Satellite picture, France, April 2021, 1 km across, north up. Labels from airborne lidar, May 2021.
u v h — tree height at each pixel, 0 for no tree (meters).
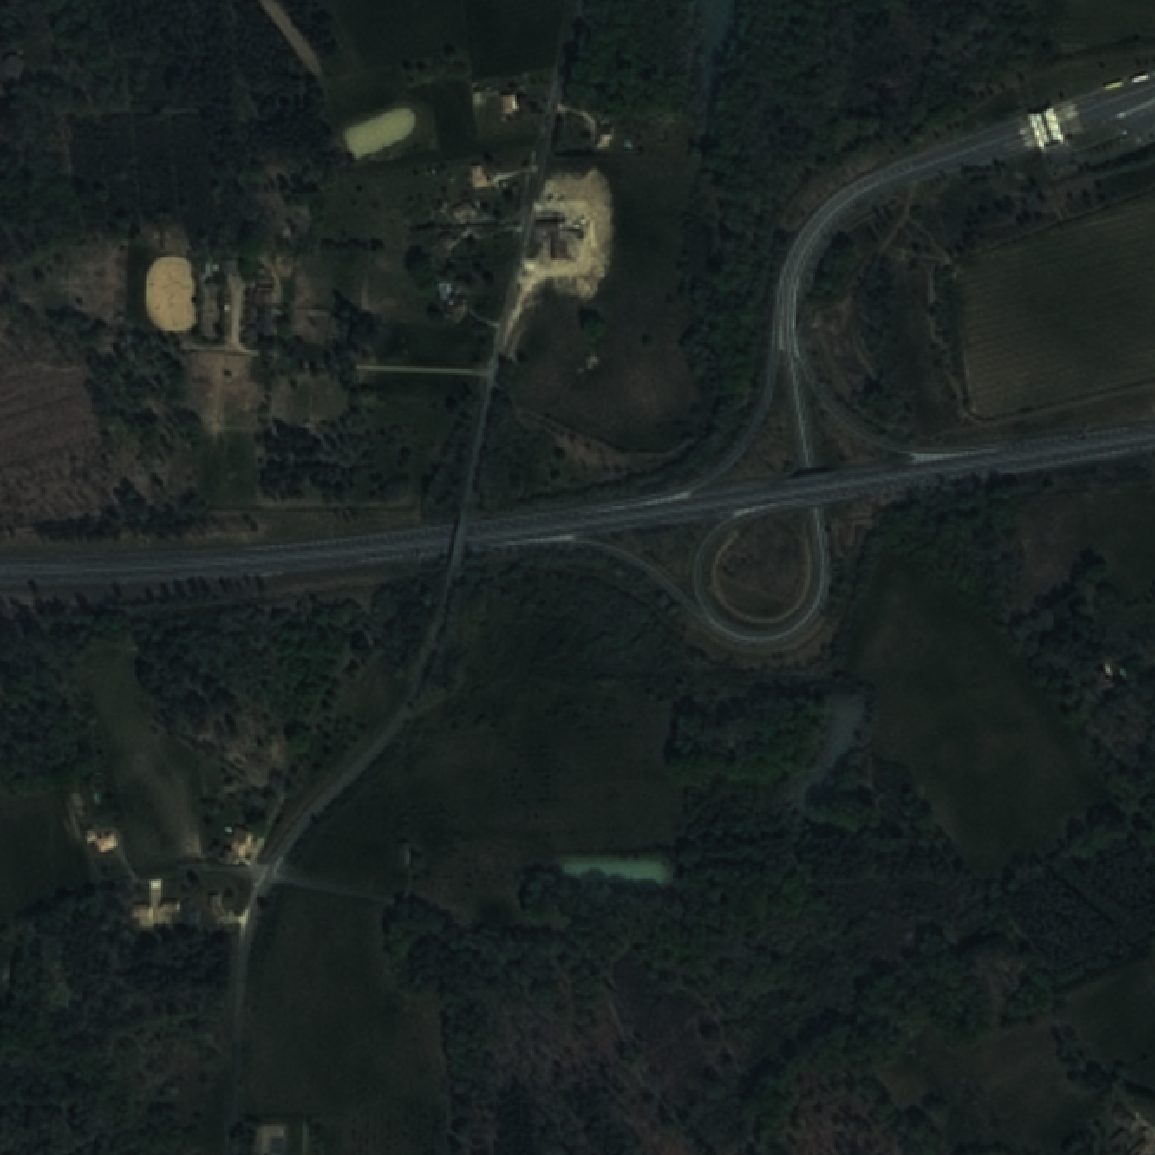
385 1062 0
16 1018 18
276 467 11
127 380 15
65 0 27
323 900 0
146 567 0
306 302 0
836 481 0
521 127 0
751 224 18
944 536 22
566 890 25
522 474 8
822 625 0
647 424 0
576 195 0
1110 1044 0
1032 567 0
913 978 16
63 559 0
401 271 0
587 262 0
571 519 0
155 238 0
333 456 7
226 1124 0
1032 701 0
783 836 19
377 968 0
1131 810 8
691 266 6
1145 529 0
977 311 0
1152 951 5
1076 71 0
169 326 0
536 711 0
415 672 9
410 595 9
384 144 0
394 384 0
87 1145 10
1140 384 0
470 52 0
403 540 0
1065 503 0
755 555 8
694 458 11
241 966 0
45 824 0
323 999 0
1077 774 0
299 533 0
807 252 0
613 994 16
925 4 22
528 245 0
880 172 0
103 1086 21
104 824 0
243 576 0
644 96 19
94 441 0
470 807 0
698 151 11
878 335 8
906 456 0
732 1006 19
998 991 12
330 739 8
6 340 6
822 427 10
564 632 0
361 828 0
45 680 21
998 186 0
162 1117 15
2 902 0
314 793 0
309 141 19
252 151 11
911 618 0
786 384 0
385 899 0
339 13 0
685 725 19
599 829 0
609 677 7
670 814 0
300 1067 0
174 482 0
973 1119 0
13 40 19
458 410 11
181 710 18
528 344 0
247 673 10
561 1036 15
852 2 14
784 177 11
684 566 13
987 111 0
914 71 18
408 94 0
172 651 17
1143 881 18
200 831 0
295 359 14
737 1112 20
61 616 13
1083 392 0
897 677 0
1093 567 20
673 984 20
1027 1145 0
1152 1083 0
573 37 0
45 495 6
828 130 12
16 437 0
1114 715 15
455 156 0
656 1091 11
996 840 0
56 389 0
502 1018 13
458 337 0
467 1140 10
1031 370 0
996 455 0
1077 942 15
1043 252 0
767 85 20
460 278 5
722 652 0
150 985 18
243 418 0
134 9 22
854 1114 7
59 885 0
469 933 10
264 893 0
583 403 0
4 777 18
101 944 18
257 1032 0
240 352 0
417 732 7
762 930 19
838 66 19
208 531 9
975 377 0
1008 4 17
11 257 18
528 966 19
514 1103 16
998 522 17
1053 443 0
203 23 10
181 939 14
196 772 0
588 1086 15
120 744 0
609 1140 15
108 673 0
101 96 15
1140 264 0
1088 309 0
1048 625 11
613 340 0
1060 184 0
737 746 18
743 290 11
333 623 8
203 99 20
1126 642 16
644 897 23
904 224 0
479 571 9
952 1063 0
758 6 18
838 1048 24
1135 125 0
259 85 13
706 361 12
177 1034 10
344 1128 0
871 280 8
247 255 11
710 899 21
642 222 0
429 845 0
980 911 8
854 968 9
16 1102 16
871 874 23
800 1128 16
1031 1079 0
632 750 0
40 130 21
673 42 15
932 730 0
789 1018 9
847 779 18
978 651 0
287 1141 0
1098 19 0
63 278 0
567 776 0
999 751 0
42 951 14
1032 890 14
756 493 0
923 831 14
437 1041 0
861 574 8
